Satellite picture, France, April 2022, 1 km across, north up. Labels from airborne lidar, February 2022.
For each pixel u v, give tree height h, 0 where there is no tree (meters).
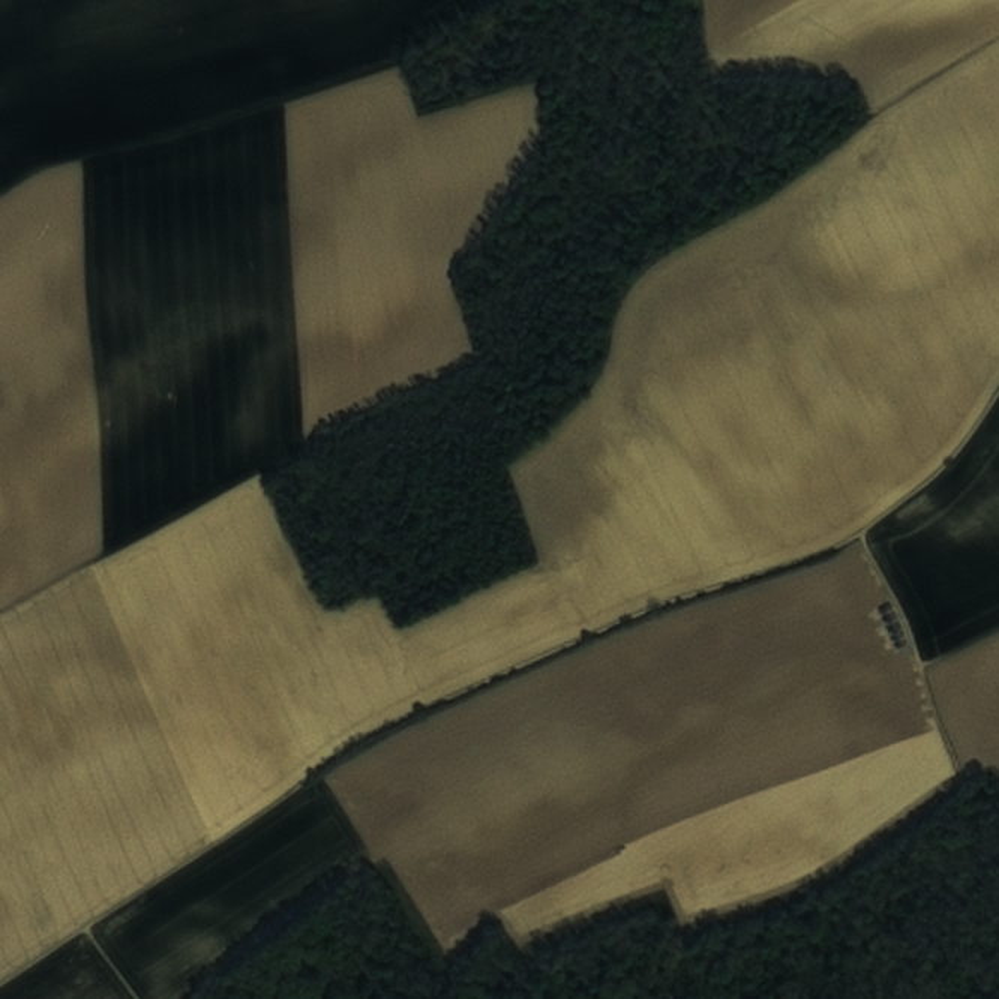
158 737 0
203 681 0
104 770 0
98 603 0
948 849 32
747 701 0
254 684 0
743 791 0
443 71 23
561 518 0
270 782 0
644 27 32
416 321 0
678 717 0
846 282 0
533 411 23
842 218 0
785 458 0
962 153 0
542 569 0
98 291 0
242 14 0
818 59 0
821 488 0
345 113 0
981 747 0
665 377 0
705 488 0
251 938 0
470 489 21
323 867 0
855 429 0
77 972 0
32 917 0
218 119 0
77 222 0
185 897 0
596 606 0
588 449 0
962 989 27
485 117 0
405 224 0
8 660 0
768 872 0
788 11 0
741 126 30
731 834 0
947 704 0
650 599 0
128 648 0
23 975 0
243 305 0
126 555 0
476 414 19
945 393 0
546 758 0
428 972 31
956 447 0
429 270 0
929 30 0
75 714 0
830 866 0
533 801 0
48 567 0
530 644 0
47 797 0
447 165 0
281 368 0
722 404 0
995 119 0
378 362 0
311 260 0
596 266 25
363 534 22
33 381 0
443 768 0
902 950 29
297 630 0
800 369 0
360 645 0
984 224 0
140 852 0
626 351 0
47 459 0
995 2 0
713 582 0
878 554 0
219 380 0
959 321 0
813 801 0
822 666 0
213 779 0
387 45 0
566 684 0
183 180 0
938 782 0
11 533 0
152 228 0
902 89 0
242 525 0
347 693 0
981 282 0
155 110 0
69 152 0
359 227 0
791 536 0
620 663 0
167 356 0
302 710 0
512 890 0
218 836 0
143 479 0
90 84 0
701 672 0
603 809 0
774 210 0
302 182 0
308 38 0
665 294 0
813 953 30
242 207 0
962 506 0
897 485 0
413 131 0
